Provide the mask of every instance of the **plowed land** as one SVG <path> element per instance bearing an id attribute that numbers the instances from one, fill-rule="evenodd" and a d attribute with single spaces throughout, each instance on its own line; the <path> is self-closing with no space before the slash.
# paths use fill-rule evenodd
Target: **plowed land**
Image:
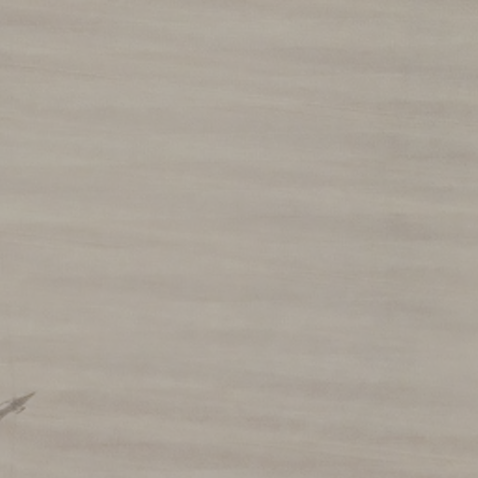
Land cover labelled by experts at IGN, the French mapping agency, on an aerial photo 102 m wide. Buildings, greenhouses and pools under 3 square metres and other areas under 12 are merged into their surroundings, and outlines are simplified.
<path id="1" fill-rule="evenodd" d="M 478 0 L 0 0 L 0 478 L 478 478 Z"/>

